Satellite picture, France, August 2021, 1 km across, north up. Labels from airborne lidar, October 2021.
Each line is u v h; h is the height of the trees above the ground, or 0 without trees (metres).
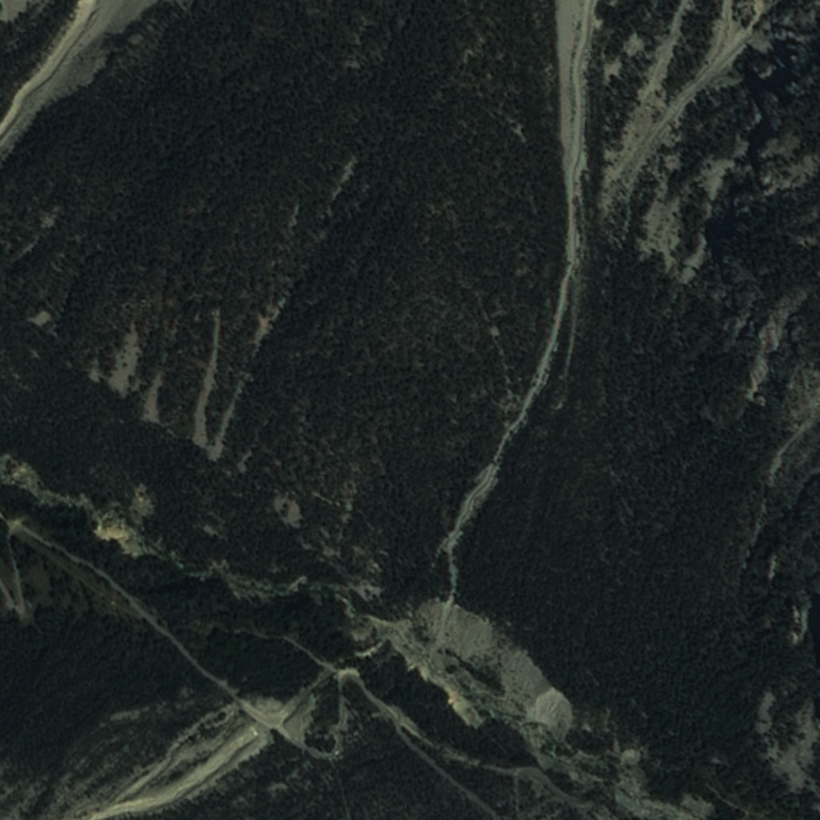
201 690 7
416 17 15
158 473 8
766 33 6
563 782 11
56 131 10
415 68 13
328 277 11
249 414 13
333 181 15
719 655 11
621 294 14
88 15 0
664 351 12
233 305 9
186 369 8
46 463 11
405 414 12
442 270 10
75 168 7
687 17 6
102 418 8
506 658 0
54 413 10
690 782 13
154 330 9
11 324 9
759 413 8
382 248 10
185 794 0
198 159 11
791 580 10
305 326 7
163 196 8
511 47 7
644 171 6
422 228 10
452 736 8
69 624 15
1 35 9
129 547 0
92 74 0
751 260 12
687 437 17
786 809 9
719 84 0
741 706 11
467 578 10
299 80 13
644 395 10
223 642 15
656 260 10
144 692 8
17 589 0
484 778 7
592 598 9
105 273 6
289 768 6
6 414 10
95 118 6
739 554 10
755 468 11
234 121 12
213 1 13
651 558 13
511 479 9
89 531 8
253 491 9
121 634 10
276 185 10
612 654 8
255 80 11
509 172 6
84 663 6
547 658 7
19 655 9
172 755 0
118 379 0
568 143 0
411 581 13
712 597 6
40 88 0
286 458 12
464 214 6
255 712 0
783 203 8
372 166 9
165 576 8
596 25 0
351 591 7
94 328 7
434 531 12
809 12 8
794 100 7
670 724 16
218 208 8
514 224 8
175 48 9
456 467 8
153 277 7
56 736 6
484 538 11
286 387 8
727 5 0
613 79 12
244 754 0
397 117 10
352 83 10
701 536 10
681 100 0
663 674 18
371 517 7
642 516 15
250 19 7
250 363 8
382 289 10
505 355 7
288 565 13
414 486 8
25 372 7
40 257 6
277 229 9
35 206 7
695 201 9
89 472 8
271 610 6
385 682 9
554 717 0
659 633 12
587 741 12
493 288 10
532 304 8
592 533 11
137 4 0
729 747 10
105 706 8
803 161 8
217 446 0
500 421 7
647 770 6
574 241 0
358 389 8
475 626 0
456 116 10
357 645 6
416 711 9
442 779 6
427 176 14
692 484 13
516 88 7
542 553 7
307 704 0
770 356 7
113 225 8
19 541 11
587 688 12
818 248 8
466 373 10
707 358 9
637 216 10
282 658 10
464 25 12
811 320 9
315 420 9
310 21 14
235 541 14
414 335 8
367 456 8
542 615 9
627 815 0
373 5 13
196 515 9
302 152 8
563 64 0
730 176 8
